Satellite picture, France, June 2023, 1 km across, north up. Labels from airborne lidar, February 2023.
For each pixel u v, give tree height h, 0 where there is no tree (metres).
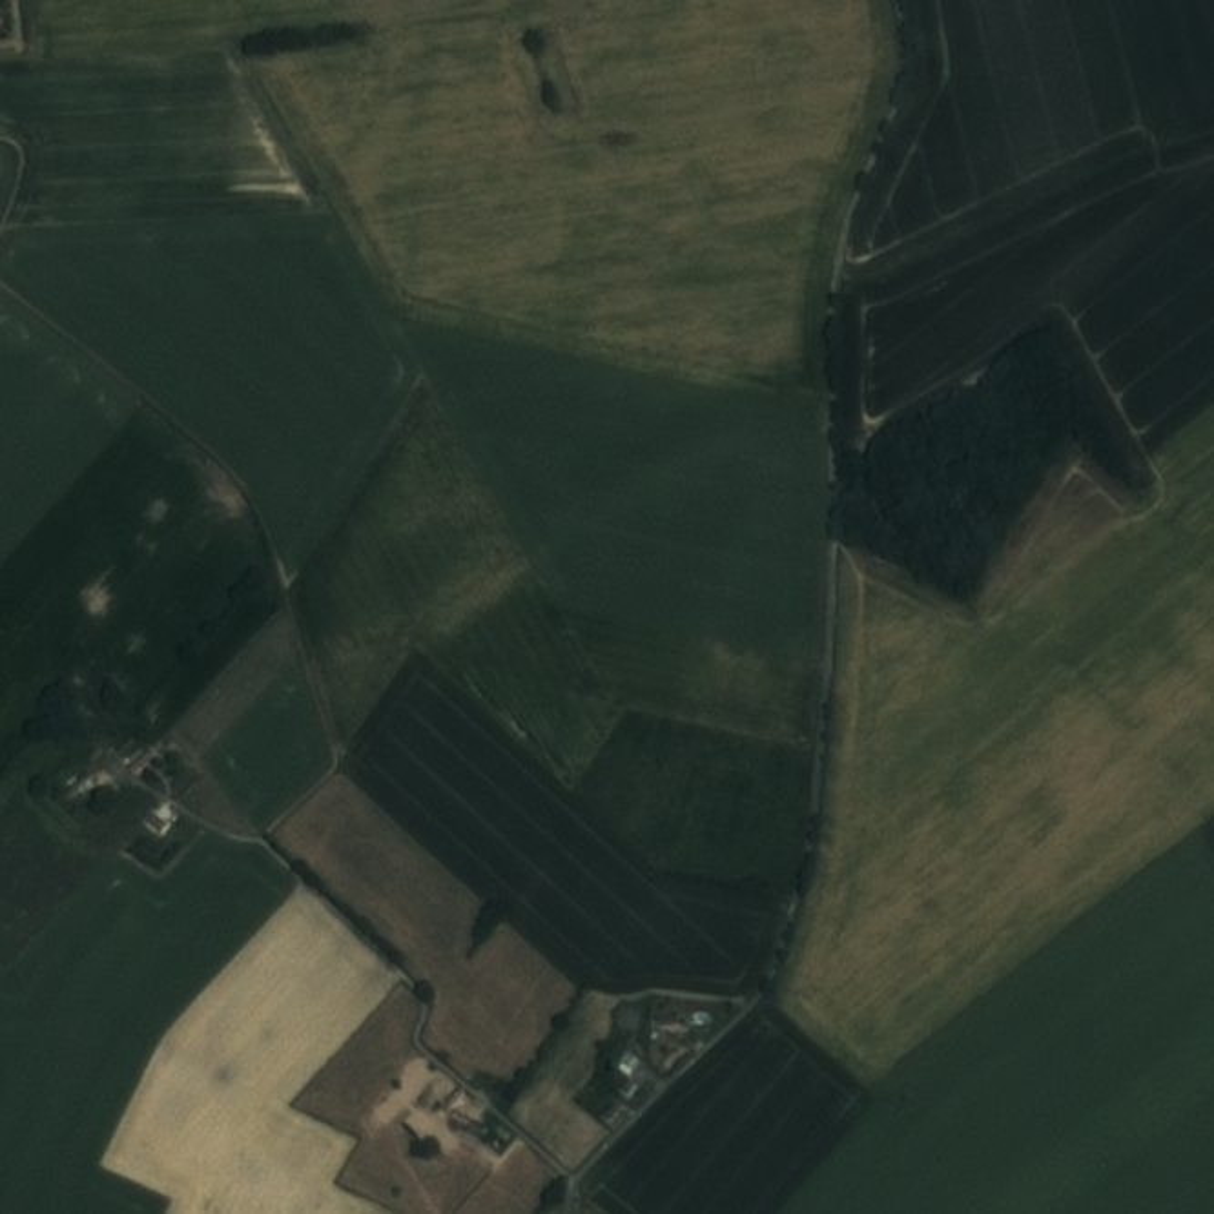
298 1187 0
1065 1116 0
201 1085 0
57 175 0
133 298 0
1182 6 0
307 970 0
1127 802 0
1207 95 0
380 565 0
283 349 0
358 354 0
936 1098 0
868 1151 0
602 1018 0
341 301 0
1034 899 0
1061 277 0
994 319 0
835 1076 0
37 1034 0
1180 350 0
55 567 0
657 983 0
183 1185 0
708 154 0
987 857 0
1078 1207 0
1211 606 0
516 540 0
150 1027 0
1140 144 0
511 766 0
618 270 0
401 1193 8
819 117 0
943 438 20
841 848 0
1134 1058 0
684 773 0
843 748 0
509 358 0
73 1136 0
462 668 0
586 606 0
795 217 0
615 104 0
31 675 0
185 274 0
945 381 0
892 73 0
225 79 0
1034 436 21
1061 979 0
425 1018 0
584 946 0
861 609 0
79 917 0
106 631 0
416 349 0
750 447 0
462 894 0
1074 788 0
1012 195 0
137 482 0
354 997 0
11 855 0
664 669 0
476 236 0
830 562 0
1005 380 20
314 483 0
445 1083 0
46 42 0
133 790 0
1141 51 0
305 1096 0
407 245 0
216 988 0
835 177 0
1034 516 0
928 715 0
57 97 0
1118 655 0
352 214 0
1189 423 0
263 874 0
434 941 0
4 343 0
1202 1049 0
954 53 0
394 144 0
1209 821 0
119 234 0
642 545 0
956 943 0
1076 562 0
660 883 0
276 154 0
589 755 0
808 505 0
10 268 0
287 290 0
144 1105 0
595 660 0
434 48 0
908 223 0
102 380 0
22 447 0
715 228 0
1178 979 0
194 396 0
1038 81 0
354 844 0
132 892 0
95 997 0
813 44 0
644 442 0
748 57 0
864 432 0
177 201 0
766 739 0
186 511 0
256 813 0
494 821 0
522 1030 0
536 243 0
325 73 0
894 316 0
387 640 0
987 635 0
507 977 0
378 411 0
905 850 0
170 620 0
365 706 0
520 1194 0
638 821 0
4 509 0
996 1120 0
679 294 0
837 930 0
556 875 0
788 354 0
